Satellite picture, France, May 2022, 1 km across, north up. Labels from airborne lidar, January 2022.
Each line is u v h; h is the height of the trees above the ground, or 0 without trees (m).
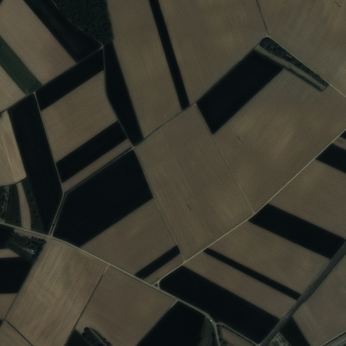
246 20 0
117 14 0
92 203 0
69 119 0
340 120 0
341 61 0
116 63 0
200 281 0
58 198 0
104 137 0
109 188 0
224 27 0
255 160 0
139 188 0
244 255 0
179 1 0
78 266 0
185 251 0
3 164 0
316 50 0
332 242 0
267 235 0
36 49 0
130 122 0
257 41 0
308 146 0
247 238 0
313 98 0
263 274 0
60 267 0
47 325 0
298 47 0
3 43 0
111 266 0
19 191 0
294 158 0
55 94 0
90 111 0
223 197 0
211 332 0
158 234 0
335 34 0
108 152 0
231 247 0
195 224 0
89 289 0
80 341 0
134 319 0
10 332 0
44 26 0
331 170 0
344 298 0
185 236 0
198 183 0
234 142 0
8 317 0
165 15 0
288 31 0
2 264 0
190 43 0
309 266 0
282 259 0
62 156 0
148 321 0
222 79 0
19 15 0
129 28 0
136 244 0
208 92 0
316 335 0
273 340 0
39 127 0
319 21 0
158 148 0
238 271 0
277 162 0
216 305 0
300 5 0
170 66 0
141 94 0
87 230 0
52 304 0
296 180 0
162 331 0
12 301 0
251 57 0
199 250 0
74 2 25
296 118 0
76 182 0
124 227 0
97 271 0
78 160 0
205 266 0
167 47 0
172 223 0
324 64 0
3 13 0
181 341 0
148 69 0
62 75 0
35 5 0
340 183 0
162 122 0
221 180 0
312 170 0
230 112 0
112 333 0
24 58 0
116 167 0
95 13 27
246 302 0
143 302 0
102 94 0
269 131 0
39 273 0
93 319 0
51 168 0
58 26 0
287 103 0
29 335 0
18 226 0
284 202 0
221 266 0
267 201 0
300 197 0
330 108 0
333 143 0
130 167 0
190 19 0
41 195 0
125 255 0
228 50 0
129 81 0
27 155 0
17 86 0
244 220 0
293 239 0
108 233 0
